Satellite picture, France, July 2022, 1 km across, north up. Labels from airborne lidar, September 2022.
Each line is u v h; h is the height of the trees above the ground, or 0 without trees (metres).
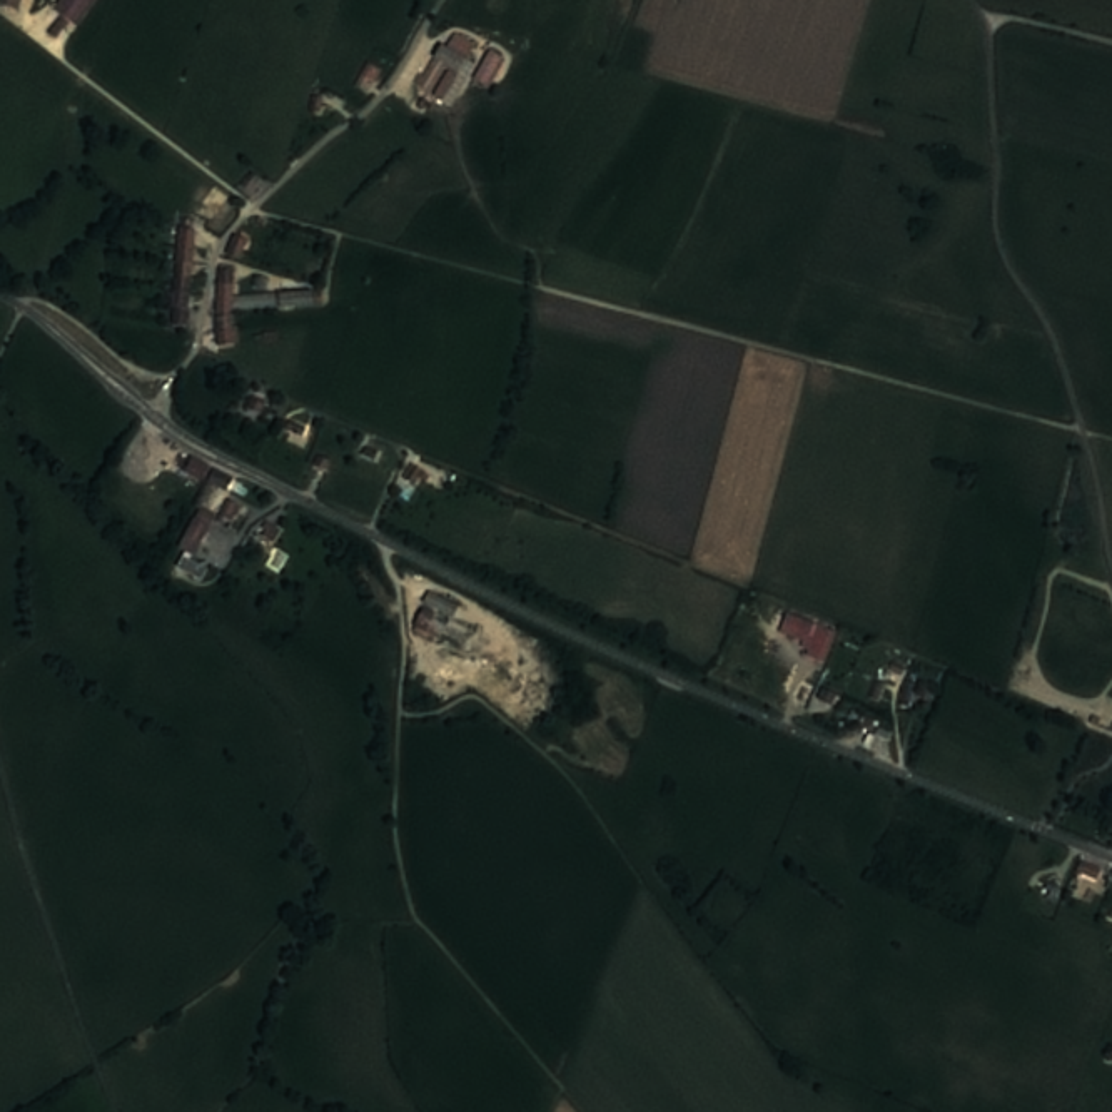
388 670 0
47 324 0
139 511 0
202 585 0
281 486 0
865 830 0
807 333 0
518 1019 0
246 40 0
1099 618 0
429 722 10
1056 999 0
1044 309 0
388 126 0
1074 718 13
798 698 0
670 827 0
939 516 0
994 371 0
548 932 0
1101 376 0
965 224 0
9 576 0
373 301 0
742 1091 0
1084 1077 0
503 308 0
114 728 0
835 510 0
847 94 0
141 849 0
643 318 0
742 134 0
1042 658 0
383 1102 0
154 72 0
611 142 0
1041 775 0
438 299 0
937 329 0
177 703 0
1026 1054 0
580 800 0
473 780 0
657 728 0
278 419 10
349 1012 0
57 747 0
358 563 6
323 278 14
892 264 0
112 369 0
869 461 0
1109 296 0
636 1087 0
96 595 0
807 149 0
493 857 0
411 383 0
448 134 0
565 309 0
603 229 0
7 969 0
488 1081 0
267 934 0
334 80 0
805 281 0
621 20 0
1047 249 0
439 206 0
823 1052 0
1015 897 0
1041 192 0
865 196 0
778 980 0
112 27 0
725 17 0
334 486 0
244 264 0
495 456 11
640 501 0
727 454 0
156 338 0
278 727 0
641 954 0
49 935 0
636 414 0
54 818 0
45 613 0
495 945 0
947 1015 0
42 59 0
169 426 0
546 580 0
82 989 0
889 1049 0
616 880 0
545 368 0
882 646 0
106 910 0
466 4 0
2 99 0
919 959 0
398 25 0
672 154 0
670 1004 0
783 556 0
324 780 0
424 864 0
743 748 0
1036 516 0
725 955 0
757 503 0
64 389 0
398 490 10
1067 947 0
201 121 0
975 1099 0
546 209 0
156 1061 0
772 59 0
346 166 0
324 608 0
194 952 0
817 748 0
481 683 0
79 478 11
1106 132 0
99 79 0
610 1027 0
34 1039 0
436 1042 0
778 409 0
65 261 16
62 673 18
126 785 0
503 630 0
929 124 0
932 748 0
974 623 0
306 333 0
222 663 0
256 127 0
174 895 0
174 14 0
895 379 0
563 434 0
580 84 0
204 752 0
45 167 0
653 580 0
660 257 0
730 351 0
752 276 0
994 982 0
